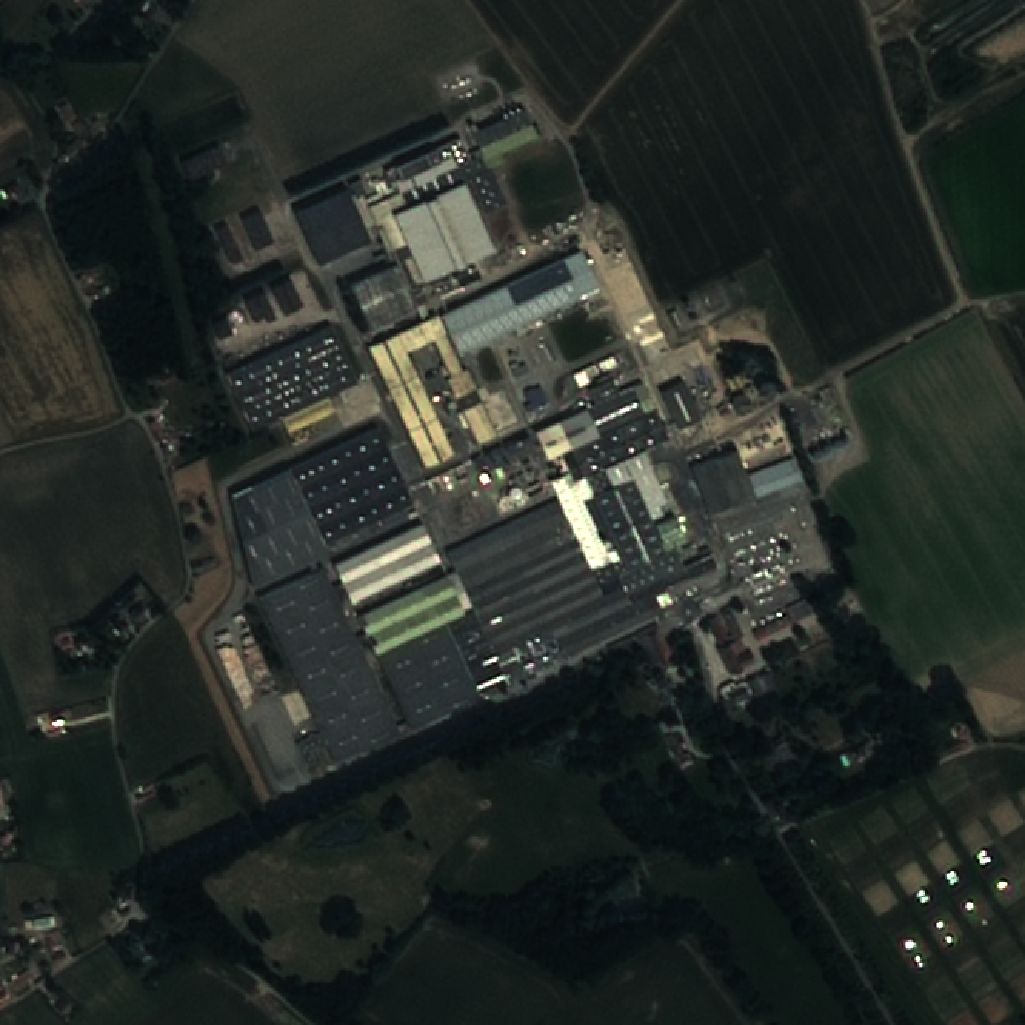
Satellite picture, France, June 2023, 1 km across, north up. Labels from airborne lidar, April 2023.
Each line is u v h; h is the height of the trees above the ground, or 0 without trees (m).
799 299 0
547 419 0
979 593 0
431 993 0
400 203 0
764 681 0
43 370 0
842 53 0
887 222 0
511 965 0
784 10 0
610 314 0
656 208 0
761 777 16
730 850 28
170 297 14
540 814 0
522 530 0
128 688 0
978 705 0
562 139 0
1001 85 0
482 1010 0
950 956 0
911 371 0
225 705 0
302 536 0
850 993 12
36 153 0
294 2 0
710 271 0
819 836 0
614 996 0
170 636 0
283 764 0
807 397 0
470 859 0
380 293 0
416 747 16
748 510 0
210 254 14
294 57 0
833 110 0
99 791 0
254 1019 0
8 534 0
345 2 0
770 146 0
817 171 0
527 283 0
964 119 0
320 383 0
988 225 0
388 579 0
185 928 17
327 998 15
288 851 0
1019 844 0
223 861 15
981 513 0
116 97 0
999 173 0
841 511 0
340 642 0
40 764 0
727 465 0
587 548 0
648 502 0
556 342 0
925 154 0
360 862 0
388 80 0
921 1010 0
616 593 0
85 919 0
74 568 0
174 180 24
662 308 0
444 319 0
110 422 0
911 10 0
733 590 0
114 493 0
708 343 0
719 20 0
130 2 13
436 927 0
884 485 0
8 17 0
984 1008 0
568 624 0
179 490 0
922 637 0
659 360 0
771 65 0
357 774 16
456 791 0
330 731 0
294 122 0
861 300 0
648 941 12
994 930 0
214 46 0
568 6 0
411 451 0
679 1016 0
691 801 23
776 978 0
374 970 14
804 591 9
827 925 12
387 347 0
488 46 0
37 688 0
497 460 0
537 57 0
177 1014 0
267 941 0
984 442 0
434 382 0
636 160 0
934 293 0
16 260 0
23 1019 0
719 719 21
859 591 0
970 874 0
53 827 0
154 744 0
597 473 0
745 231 0
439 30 0
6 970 0
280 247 0
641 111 0
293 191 13
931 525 0
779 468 0
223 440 7
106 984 0
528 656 0
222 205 0
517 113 0
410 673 0
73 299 0
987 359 0
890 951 0
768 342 0
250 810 0
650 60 0
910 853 0
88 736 0
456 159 0
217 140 0
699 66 0
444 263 0
